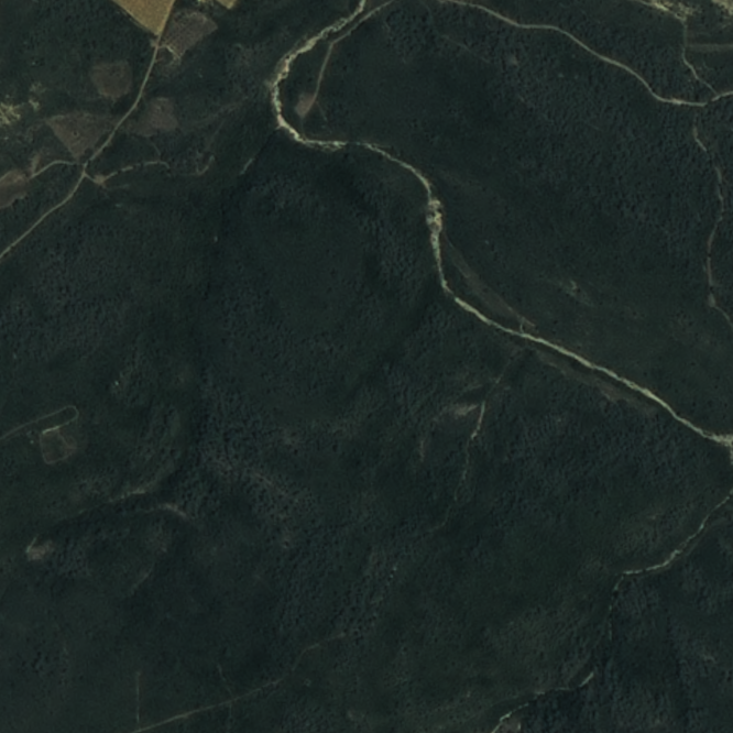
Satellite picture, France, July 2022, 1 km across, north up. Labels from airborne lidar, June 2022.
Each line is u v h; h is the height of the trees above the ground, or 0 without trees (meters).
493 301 0
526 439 11
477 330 6
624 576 7
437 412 10
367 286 9
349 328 6
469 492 7
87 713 0
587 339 0
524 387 10
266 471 8
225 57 10
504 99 8
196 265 9
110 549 8
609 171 6
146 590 6
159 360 9
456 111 8
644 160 8
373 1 0
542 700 8
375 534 7
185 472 12
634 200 10
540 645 8
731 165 10
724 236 10
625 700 9
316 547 9
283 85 6
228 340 12
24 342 8
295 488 5
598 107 6
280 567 7
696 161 14
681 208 7
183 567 6
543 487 7
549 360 0
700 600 10
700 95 13
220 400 7
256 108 12
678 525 13
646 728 10
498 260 8
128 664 0
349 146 6
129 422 5
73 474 7
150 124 0
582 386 8
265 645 7
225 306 10
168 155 9
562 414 8
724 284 7
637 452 11
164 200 6
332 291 10
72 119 0
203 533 6
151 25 0
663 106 7
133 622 6
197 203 8
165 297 7
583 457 8
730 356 0
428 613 9
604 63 11
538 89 9
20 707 0
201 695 6
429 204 0
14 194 0
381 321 10
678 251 10
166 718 0
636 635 9
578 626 13
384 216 10
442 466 7
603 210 9
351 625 14
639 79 7
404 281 12
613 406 9
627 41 13
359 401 11
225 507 9
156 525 8
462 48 9
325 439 8
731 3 0
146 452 8
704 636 7
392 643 5
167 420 16
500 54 11
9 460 9
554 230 7
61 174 6
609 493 9
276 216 9
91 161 8
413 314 7
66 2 11
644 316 7
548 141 8
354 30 8
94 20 6
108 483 9
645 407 0
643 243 6
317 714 13
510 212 11
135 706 0
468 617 7
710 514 6
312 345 13
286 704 10
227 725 8
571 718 8
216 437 18
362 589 13
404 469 8
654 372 7
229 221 8
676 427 11
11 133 0
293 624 9
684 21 0
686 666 15
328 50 0
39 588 7
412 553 9
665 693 14
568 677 8
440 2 0
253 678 9
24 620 0
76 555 11
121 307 6
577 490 8
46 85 0
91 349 8
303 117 0
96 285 6
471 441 6
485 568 10
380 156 10
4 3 0
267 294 9
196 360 7
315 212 9
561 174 11
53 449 0
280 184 11
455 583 8
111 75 0
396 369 13
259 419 11
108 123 0
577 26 10
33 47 9
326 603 6
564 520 10
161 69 0
